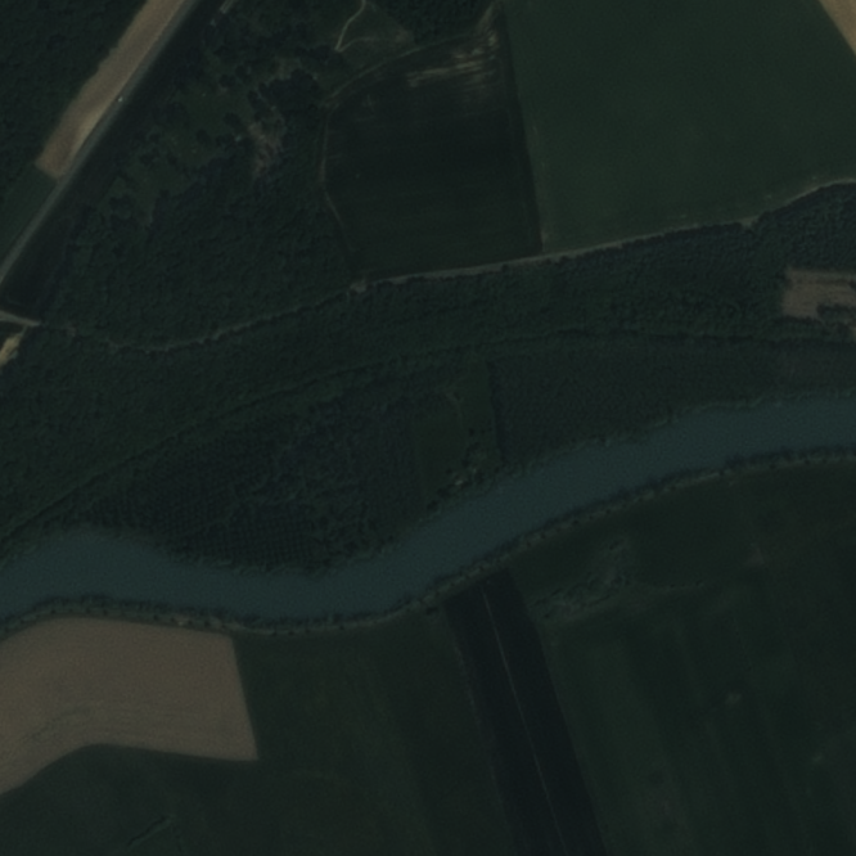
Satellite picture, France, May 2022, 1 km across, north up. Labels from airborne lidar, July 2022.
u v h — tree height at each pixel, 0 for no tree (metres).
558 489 0
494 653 0
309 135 21
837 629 0
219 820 0
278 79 0
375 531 28
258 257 19
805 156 0
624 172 0
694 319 18
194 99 0
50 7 27
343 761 0
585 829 0
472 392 0
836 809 0
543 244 0
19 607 0
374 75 0
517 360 32
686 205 0
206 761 0
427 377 34
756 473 0
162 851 0
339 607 0
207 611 7
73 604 6
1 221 0
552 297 18
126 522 14
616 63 0
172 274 23
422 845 0
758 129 0
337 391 21
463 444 0
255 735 0
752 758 0
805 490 0
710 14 0
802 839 0
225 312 13
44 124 23
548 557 0
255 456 21
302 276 23
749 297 23
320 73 21
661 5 0
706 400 29
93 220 23
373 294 14
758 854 0
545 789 0
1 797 0
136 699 0
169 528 21
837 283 0
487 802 0
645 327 14
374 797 0
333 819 0
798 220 21
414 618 0
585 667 0
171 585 0
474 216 0
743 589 0
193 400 19
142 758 0
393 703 0
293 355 16
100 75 0
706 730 0
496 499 0
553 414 32
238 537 26
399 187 0
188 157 0
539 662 0
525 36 0
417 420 29
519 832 0
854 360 31
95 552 0
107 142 0
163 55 0
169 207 23
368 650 0
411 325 22
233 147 28
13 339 0
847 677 0
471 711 0
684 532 0
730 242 23
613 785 0
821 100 0
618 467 0
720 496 0
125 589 0
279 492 23
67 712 0
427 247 0
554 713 0
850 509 0
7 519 11
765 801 0
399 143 0
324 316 16
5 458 16
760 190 0
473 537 0
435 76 0
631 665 0
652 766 0
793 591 0
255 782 0
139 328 17
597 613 0
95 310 20
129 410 18
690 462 0
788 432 0
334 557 12
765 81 0
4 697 0
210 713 0
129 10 26
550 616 7
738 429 0
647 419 31
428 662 0
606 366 36
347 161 0
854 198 22
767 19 0
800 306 0
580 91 0
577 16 0
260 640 0
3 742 0
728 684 0
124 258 25
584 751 0
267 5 6
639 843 0
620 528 0
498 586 0
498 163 0
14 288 0
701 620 0
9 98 25
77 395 19
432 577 0
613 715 0
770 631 0
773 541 0
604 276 21
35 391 21
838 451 15
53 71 30
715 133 0
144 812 0
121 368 21
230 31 28
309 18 7
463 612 0
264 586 0
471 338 19
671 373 34
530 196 0
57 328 16
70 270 19
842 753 0
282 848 0
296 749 0
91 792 0
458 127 0
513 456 31
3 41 25
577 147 0
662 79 0
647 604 0
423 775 0
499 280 10
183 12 0
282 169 25
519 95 0
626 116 0
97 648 0
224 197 25
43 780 0
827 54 0
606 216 0
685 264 22
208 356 15
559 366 33
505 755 0
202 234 24
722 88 0
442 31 15
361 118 0
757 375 34
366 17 0
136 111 0
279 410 15
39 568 0
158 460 14
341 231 0
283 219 25
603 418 32
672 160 0
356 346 15
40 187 0
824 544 0
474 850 0
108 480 19
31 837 0
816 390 28
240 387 17
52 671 0
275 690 0
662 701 0
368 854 0
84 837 0
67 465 16
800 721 0
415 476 32
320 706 0
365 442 33
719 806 0
